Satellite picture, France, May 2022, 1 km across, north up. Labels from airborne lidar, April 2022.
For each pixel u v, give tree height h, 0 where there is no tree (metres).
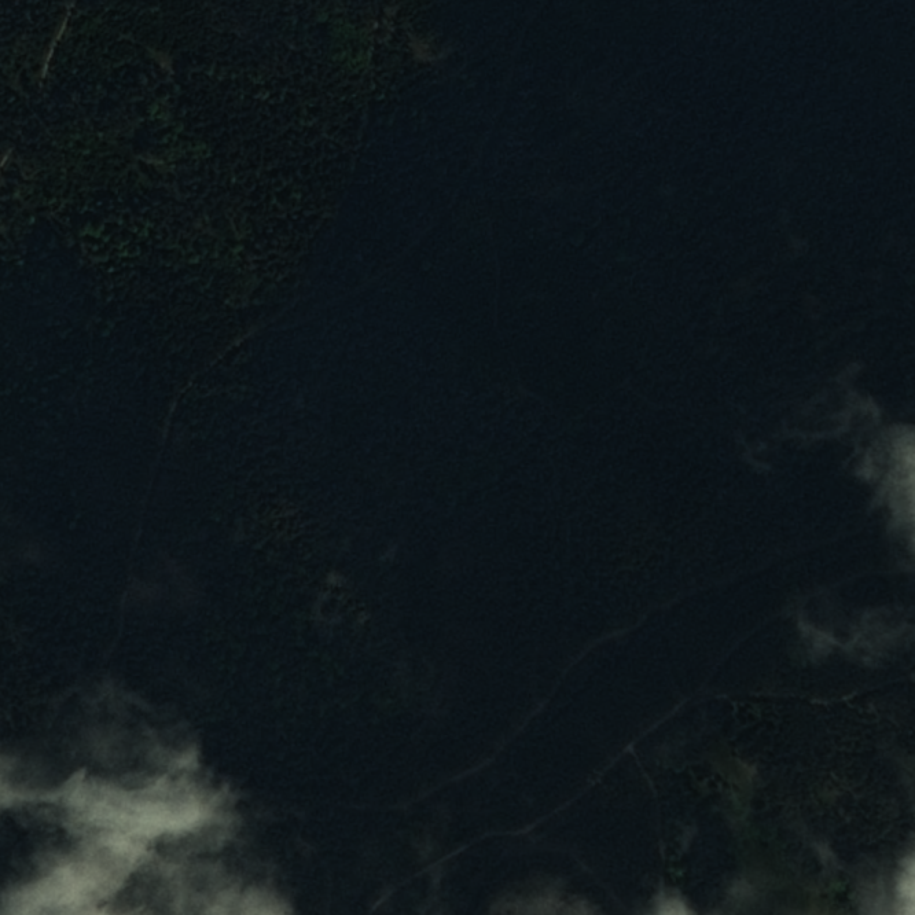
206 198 24
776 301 9
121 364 18
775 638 20
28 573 10
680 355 13
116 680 16
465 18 7
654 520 23
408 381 21
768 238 8
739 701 17
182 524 16
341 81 24
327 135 21
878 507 17
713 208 9
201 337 20
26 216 27
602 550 24
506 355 11
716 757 0
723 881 23
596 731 23
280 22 22
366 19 22
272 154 23
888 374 7
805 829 23
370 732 20
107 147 8
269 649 17
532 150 21
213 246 12
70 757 12
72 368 15
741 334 15
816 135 11
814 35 16
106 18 9
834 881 21
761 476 18
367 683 22
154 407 17
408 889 22
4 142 28
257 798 28
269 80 19
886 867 27
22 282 19
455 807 17
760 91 21
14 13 28
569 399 7
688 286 10
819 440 17
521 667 19
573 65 6
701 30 19
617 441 15
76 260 25
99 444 20
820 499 16
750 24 18
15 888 11
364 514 19
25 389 7
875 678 20
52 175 8
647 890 25
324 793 22
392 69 18
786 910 0
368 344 13
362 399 7
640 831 21
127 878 19
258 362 9
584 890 20
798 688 8
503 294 11
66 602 15
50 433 24
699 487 24
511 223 11
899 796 21
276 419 26
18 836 10
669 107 18
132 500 19
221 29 13
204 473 16
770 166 12
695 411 18
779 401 16
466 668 19
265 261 25
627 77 22
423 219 19
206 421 15
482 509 18
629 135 11
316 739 10
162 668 22
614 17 6
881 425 14
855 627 21
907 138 14
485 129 25
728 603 20
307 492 20
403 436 21
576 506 23
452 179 21
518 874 24
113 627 22
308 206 25
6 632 26
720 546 23
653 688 25
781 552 20
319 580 15
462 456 24
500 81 21
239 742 24
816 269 10
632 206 10
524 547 22
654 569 20
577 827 25
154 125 28
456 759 20
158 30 10
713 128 17
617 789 23
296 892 21
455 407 23
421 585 17
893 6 22
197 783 20
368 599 9
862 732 20
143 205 30
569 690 20
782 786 28
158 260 24
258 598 17
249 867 22
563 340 7
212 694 19
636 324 6
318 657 15
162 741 22
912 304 8
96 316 18
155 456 19
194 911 22
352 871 22
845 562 21
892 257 13
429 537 16
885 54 17
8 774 19
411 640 17
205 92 23
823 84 13
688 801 20
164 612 23
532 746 19
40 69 8
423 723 15
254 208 24
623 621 25
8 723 11
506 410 21
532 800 23
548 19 9
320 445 20
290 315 10
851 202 14
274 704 17
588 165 18
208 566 14
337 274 16
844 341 7
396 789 19
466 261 6
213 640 14
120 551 24
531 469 19
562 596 23
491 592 19
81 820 7
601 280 11
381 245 28
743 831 20
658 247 13
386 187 30
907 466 15
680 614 19
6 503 23
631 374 11
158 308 19
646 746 22
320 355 8
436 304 11
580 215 15
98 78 6
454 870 25
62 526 11
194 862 18
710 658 19
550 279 7
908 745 18
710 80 17
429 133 17
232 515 14
